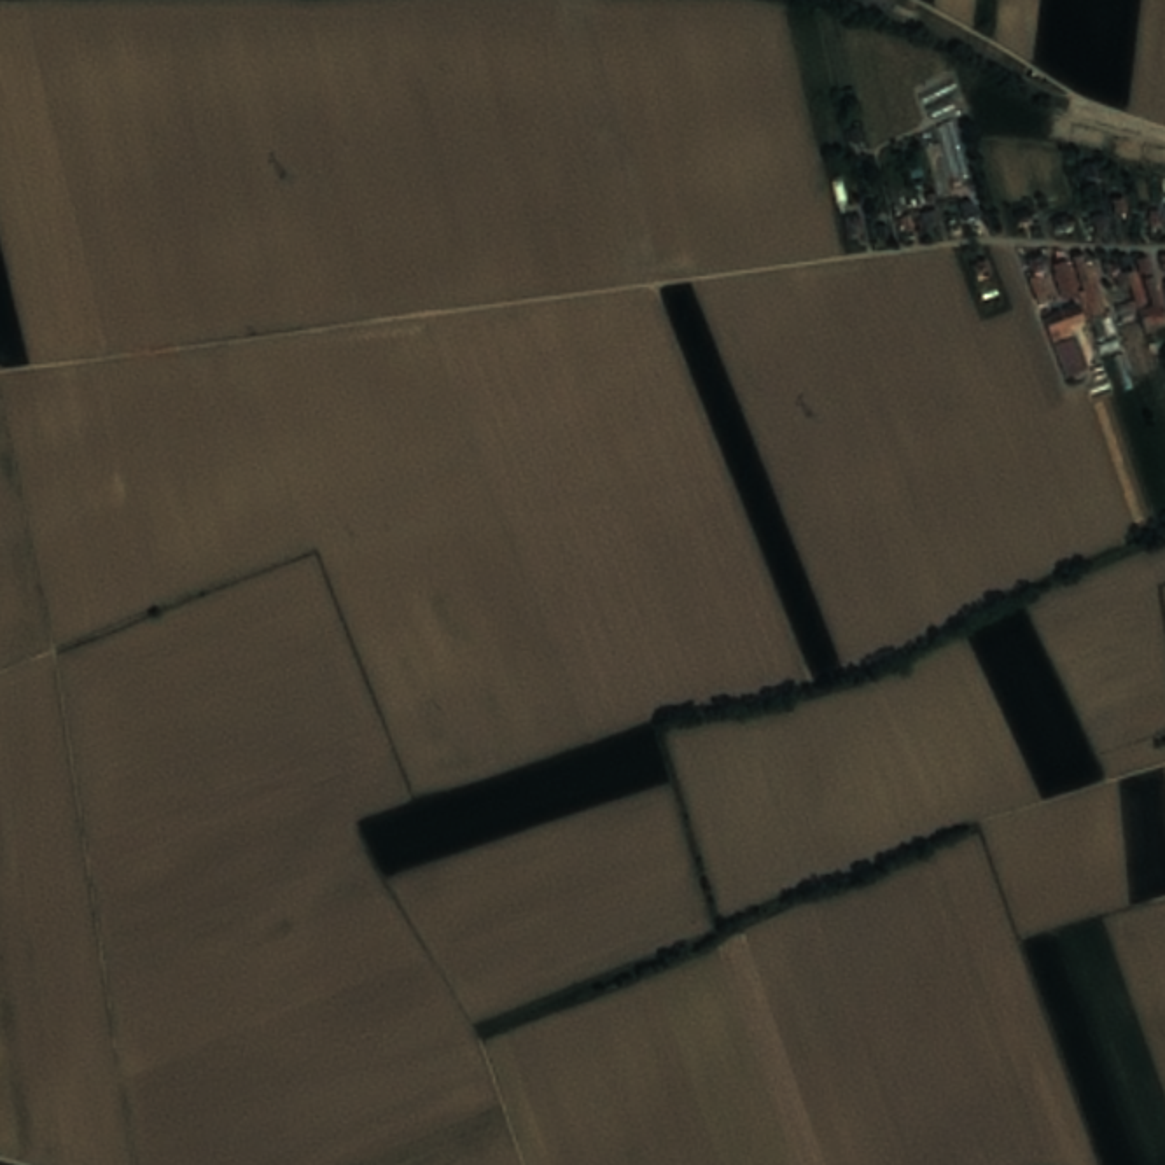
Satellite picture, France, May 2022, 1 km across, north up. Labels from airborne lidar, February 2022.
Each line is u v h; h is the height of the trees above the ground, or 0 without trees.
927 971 0
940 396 0
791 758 0
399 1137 0
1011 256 0
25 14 0
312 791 0
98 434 0
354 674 0
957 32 0
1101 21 0
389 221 0
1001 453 0
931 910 0
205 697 0
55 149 0
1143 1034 0
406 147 0
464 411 0
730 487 0
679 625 0
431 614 0
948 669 0
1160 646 0
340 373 0
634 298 0
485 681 0
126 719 0
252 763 0
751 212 0
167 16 0
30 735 0
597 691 0
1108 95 0
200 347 0
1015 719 0
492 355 0
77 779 0
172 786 0
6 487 0
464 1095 0
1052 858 0
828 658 0
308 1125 0
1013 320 0
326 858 0
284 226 0
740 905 0
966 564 0
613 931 0
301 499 0
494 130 0
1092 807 0
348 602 0
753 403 0
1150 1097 0
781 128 0
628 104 0
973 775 0
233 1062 0
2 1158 0
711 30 0
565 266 0
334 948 0
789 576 0
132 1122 0
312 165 0
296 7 0
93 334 0
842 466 0
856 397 0
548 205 0
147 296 0
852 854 0
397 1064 0
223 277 0
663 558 0
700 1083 0
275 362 0
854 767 0
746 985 0
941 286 0
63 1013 0
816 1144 0
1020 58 0
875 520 0
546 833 0
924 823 0
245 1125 0
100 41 0
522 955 0
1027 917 0
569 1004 0
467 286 0
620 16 0
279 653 0
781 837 0
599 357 0
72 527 0
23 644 0
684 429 0
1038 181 0
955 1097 0
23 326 0
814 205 0
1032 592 10
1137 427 0
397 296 0
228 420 0
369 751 0
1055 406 0
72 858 0
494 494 0
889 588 0
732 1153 0
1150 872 0
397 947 0
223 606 0
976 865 0
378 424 0
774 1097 0
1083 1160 0
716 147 0
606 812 0
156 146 0
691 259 0
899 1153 0
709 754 0
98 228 0
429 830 0
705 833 0
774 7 0
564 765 0
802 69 0
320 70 0
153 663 0
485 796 0
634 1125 0
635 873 0
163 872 0
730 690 0
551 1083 0
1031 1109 0
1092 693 0
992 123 0
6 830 0
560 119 0
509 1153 0
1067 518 0
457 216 0
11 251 0
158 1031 0
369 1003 0
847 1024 0
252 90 0
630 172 0
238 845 0
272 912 0
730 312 0
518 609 0
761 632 0
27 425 0
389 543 0
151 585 0
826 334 0
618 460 0
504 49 0
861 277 0
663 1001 0
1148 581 0
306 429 0
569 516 0
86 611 0
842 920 0
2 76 0
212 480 0
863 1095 0
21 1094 0
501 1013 0
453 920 0
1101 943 0
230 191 0
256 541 0
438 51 0
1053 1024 0
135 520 0
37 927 0
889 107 0
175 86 0
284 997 0
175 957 0
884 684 0
